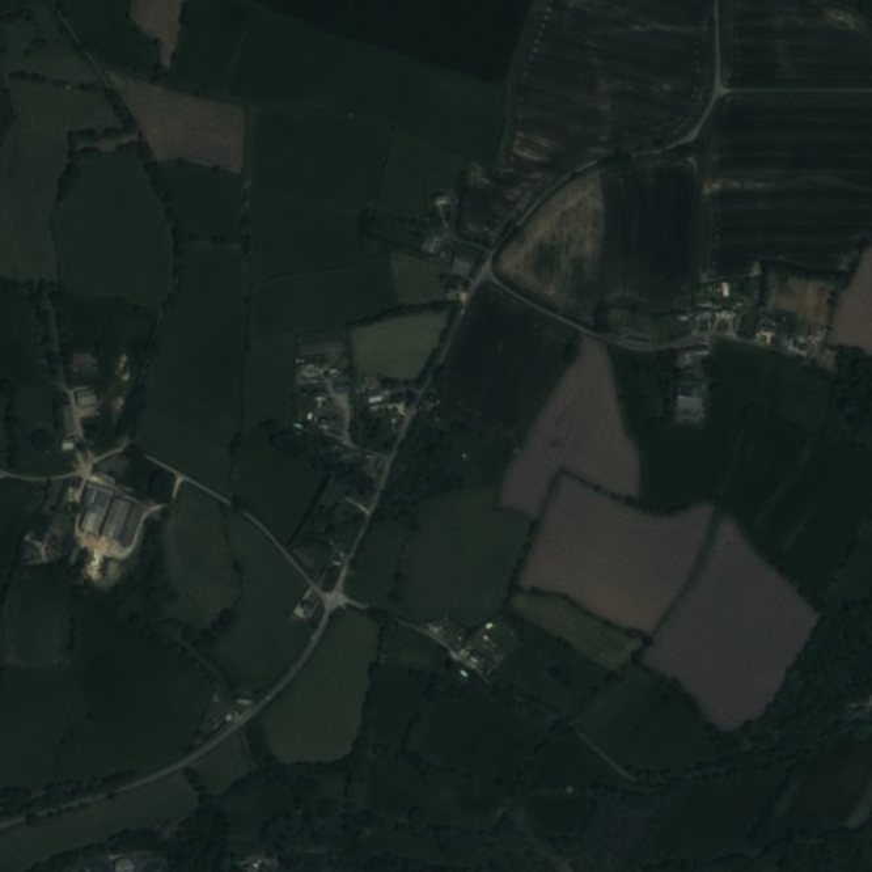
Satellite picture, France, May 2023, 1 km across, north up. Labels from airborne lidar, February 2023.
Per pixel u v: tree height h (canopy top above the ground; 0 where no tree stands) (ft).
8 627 0
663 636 0
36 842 0
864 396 25
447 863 0
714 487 0
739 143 0
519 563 24
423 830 29
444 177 0
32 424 0
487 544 0
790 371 0
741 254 0
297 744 0
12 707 0
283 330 0
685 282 0
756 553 0
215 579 0
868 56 0
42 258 0
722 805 0
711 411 0
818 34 0
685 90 0
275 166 0
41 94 0
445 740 0
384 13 0
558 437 0
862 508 0
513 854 78
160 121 0
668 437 0
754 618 0
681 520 0
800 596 34
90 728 0
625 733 0
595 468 0
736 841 0
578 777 0
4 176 0
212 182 0
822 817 0
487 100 0
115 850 52
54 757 0
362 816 58
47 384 0
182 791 0
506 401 0
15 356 0
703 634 0
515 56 0
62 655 0
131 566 0
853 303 0
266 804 0
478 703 0
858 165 0
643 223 0
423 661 0
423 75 0
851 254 0
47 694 0
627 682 0
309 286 0
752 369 0
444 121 0
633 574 0
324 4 0
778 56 0
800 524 0
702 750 0
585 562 0
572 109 0
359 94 0
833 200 0
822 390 0
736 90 0
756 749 25
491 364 0
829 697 35
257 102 0
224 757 0
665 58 0
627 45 0
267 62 0
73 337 0
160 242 0
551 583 0
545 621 0
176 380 0
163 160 0
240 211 0
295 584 0
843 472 0
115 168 0
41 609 0
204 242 0
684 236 0
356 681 0
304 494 0
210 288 0
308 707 0
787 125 0
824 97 0
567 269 0
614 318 0
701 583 0
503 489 0
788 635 0
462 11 0
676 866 34
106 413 0
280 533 0
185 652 27
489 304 0
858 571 0
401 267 0
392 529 0
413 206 0
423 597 0
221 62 0
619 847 65
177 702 0
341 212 0
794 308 0
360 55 0
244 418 0
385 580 0
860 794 0
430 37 0
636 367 41
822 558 0
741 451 0
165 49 0
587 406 0
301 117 0
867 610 40
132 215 0
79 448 38
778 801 61
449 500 0
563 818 0
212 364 0
